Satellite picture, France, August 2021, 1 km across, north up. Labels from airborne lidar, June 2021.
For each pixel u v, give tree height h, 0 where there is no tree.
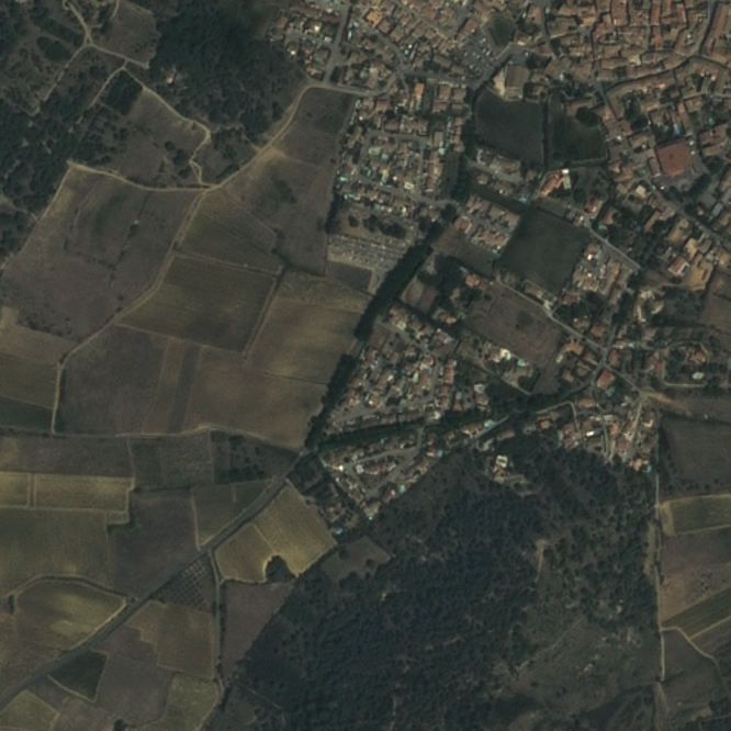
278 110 13
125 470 0
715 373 9
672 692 0
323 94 0
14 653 0
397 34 0
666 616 0
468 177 16
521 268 0
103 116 10
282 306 0
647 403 0
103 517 0
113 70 0
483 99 0
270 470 0
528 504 8
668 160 0
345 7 0
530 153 0
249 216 0
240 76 7
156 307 0
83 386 0
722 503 0
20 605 0
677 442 0
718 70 0
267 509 0
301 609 7
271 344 0
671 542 0
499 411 12
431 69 7
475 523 12
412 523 9
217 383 0
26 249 0
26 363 0
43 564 0
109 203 0
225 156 7
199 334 0
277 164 0
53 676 0
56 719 0
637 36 0
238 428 0
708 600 0
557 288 0
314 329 0
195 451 0
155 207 0
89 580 0
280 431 0
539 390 0
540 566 0
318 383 0
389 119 8
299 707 7
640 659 0
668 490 6
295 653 8
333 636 15
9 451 0
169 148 9
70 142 10
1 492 0
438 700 10
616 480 13
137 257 0
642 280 8
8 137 12
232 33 13
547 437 9
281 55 8
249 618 0
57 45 9
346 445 16
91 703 0
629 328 6
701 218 9
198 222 0
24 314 0
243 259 0
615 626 6
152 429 0
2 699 0
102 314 0
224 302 0
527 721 0
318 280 0
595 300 13
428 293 0
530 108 0
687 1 0
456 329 14
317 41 0
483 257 0
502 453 13
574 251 0
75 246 0
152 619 0
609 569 8
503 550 11
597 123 18
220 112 12
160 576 0
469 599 8
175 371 0
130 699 0
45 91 0
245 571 0
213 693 0
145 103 0
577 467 10
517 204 0
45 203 9
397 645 15
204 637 0
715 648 0
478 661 14
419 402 0
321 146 0
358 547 0
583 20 0
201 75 9
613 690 0
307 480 8
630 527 5
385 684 10
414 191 0
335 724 14
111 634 0
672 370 9
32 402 0
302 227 0
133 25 0
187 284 0
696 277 0
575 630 0
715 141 0
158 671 0
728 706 8
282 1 0
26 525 0
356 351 0
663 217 0
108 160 8
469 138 17
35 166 11
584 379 7
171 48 14
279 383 0
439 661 10
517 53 0
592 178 0
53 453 0
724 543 0
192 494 0
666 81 0
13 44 10
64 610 0
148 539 0
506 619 11
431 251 19
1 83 0
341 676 15
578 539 15
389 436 14
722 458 0
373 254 0
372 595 7
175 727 0
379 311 17
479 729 8
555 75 0
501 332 0
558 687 0
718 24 0
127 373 0
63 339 0
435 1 0
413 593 10
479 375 0
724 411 0
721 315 0
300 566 0
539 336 0
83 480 0
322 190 0
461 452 10
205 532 0
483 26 0
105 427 0
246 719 0
